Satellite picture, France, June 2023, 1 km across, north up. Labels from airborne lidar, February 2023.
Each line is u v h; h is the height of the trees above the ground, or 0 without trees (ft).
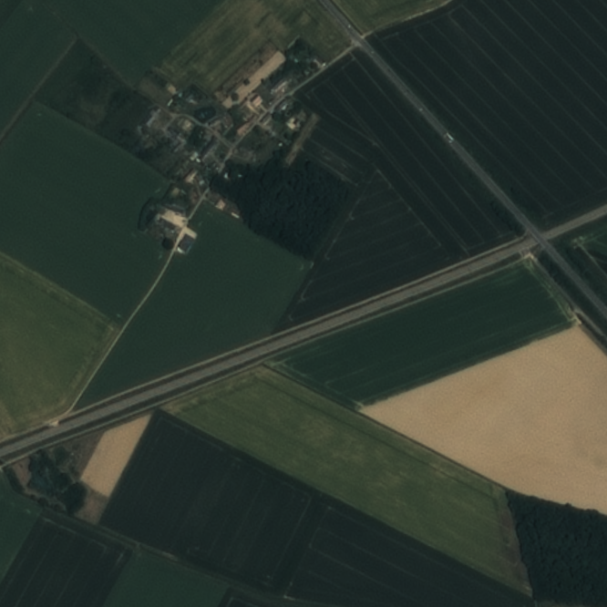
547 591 48
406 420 0
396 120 0
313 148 0
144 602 0
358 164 0
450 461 0
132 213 0
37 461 45
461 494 0
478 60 0
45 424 0
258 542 0
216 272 0
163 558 0
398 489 0
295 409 0
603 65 0
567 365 0
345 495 0
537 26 0
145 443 0
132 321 0
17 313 0
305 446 0
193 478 0
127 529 0
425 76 0
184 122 0
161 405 0
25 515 0
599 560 48
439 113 0
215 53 0
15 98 0
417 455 0
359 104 0
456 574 0
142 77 0
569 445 0
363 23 0
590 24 0
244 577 0
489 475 0
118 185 0
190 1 0
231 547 0
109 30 0
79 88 0
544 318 0
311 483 0
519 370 0
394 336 0
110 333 0
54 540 0
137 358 0
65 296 0
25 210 0
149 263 0
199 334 0
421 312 0
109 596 0
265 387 0
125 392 0
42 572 0
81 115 0
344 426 0
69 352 0
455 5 0
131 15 0
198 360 0
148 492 0
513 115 0
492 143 0
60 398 0
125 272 0
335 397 0
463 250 0
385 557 0
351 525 0
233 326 0
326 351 0
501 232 0
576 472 0
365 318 0
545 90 0
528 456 0
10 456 0
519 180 0
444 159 0
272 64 0
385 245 0
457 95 0
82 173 0
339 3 0
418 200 0
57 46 0
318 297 0
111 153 0
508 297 0
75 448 0
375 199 0
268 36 0
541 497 0
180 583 0
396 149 0
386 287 0
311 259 36
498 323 0
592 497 0
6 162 0
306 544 0
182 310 0
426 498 0
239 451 0
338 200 63
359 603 0
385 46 0
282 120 29
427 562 0
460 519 0
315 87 0
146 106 0
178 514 0
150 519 0
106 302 0
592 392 0
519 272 0
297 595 0
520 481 0
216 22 0
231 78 0
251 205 34
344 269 0
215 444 0
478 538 0
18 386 0
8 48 0
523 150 0
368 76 0
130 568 0
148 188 0
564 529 78
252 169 44
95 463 0
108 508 0
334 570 0
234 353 0
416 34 0
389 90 0
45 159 0
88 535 0
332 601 0
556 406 0
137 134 0
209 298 0
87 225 0
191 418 0
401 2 0
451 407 0
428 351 0
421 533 0
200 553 0
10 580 0
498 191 0
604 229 0
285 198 66
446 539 0
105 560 0
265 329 0
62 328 0
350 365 0
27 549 0
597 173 0
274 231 52
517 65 0
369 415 0
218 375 0
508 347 0
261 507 0
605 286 0
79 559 0
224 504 0
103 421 0
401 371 0
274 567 0
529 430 0
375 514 0
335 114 0
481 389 0
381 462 0
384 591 0
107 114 0
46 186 0
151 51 0
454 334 0
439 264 0
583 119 0
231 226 0
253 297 0
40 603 0
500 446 0
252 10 0
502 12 0
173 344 0
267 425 0
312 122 0
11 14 0
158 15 0
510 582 0
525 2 0
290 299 0
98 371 0
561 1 0
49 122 0
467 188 0
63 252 0
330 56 0
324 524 0
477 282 0
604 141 0
